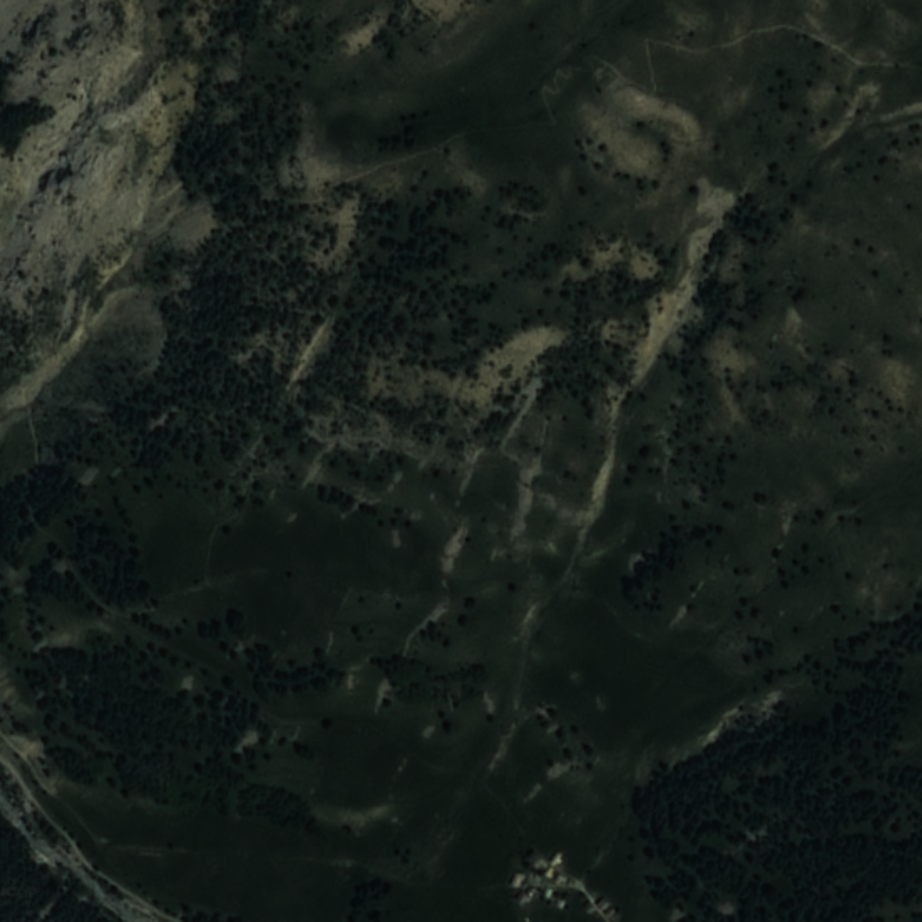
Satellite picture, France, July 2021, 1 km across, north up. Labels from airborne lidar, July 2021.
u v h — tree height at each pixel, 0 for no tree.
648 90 0
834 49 0
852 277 0
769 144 0
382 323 13
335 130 0
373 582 0
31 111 13
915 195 0
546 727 14
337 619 0
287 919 0
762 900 18
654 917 0
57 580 23
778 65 0
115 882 0
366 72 0
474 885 0
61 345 0
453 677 12
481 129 0
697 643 0
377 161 0
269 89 10
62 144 0
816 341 0
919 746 0
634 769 0
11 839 13
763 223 7
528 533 0
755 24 0
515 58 0
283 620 0
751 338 0
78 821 0
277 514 0
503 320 0
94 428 9
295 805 15
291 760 0
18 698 0
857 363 0
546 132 0
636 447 0
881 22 0
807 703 0
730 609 0
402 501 0
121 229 0
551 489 0
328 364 7
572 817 0
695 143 0
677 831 11
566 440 0
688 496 0
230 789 11
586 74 0
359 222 7
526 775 0
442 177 0
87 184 0
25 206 0
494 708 0
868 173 0
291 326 8
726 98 0
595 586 0
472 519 0
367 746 0
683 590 0
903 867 19
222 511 0
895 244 0
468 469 0
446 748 0
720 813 13
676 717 0
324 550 0
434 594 0
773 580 0
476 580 0
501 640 0
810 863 20
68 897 10
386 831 0
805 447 0
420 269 10
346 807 0
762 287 0
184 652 0
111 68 0
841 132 0
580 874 0
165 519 0
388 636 0
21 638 0
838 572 0
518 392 11
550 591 0
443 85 0
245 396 8
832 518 0
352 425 6
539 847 0
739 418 0
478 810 0
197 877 0
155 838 0
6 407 0
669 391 0
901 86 0
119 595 19
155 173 0
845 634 0
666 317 0
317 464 0
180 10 7
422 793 0
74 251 0
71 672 14
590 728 0
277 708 0
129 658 15
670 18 0
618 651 0
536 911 0
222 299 11
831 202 0
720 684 0
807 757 17
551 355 8
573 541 0
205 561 0
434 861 0
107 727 18
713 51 0
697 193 12
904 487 0
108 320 0
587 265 14
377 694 0
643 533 0
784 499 0
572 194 0
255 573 0
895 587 0
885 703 15
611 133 0
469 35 0
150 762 19
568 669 0
